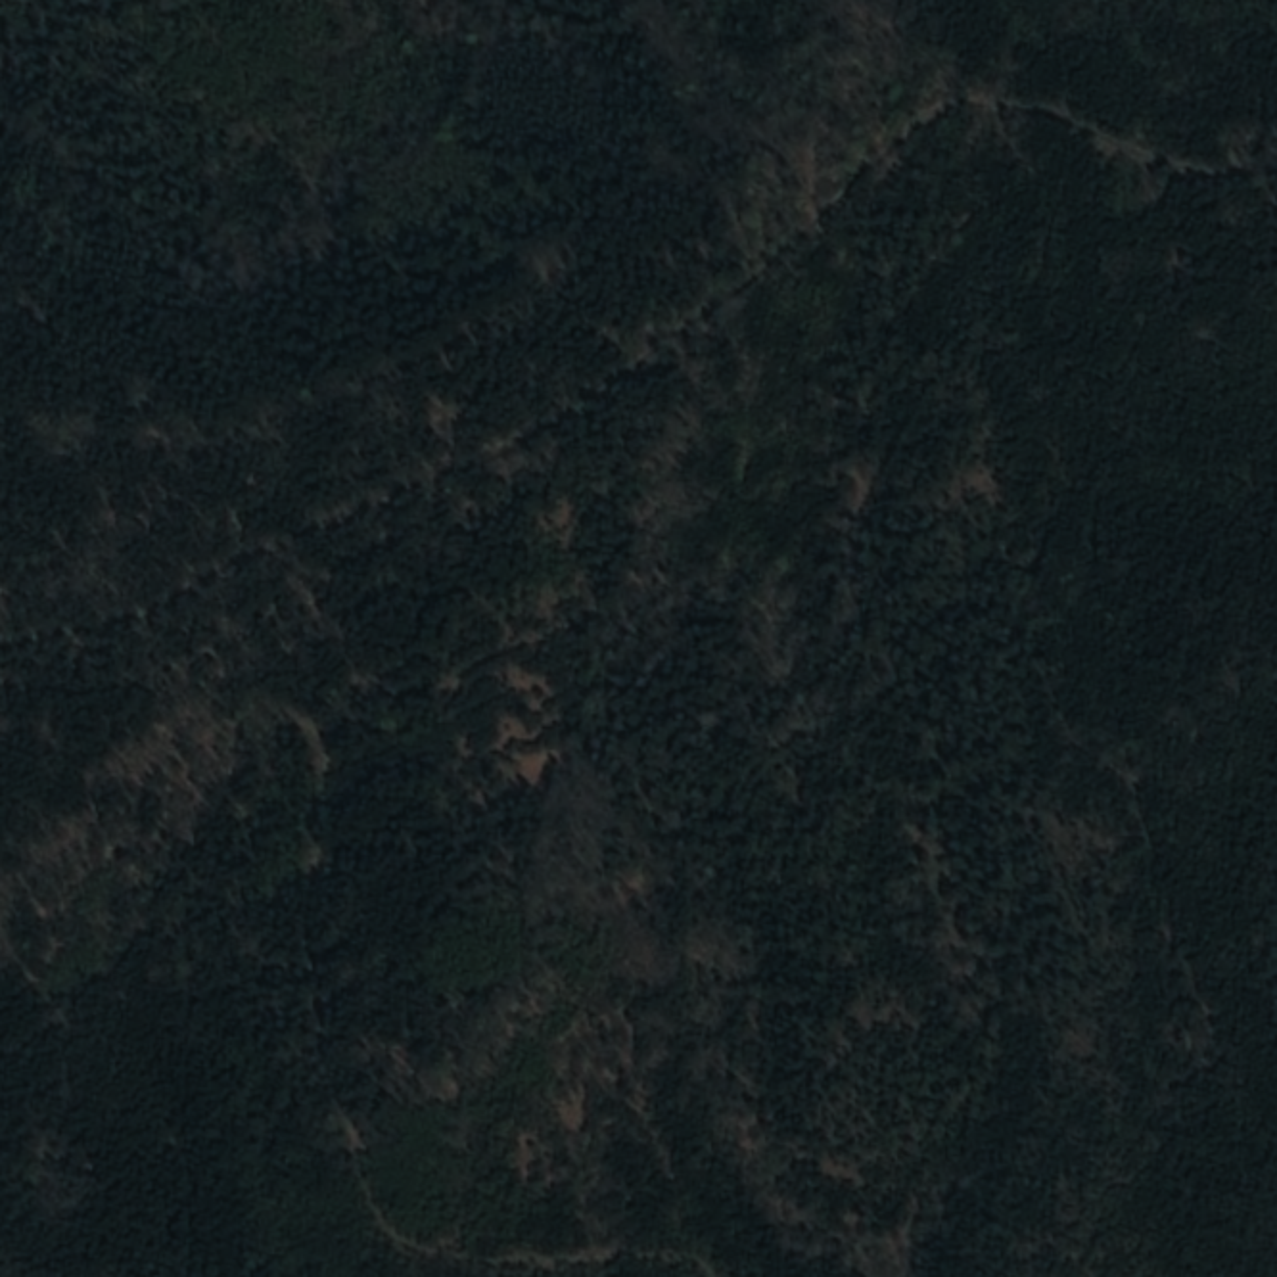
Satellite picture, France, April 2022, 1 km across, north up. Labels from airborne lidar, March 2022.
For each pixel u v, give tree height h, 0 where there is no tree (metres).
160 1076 31
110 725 19
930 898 18
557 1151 12
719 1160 14
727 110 18
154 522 22
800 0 11
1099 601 23
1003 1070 11
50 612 25
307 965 25
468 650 7
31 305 26
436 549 26
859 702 25
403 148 14
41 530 23
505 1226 11
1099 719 14
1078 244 12
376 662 27
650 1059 16
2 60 26
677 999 18
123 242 27
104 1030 20
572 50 21
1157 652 21
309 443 25
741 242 31
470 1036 24
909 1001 10
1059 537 19
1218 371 17
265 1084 15
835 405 18
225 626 25
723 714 14
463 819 16
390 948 21
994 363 14
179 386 28
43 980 15
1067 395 17
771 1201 12
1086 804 7
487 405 30
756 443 9
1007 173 11
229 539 23
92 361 30
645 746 34
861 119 13
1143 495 17
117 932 15
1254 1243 23
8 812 20
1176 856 15
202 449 26
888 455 9
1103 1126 9
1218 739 15
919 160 10
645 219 31
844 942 22
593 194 36
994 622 30
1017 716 25
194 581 23
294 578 27
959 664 28
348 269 35
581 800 32
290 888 14
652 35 22
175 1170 30
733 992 17
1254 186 24
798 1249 19
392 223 18
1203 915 16
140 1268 28
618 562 23
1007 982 14
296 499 25
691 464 11
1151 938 11
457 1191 11
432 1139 13
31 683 19
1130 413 14
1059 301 12
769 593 30
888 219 29
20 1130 19
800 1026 24
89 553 26
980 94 18
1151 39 16
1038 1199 10
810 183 15
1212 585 24
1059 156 17
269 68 12
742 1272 11
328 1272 16
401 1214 14
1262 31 16
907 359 28
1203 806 16
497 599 24
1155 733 19
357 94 14
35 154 26
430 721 12
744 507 11
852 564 13
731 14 12
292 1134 18
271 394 30
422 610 29
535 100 27
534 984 20
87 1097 25
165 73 18
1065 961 23
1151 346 17
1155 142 19
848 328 12
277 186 15
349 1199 12
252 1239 14
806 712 29
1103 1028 8
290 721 23
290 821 25
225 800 23
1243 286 15
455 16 14
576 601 10
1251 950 25
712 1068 20
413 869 24
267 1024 18
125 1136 25
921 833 18
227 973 17
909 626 34
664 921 20
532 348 25
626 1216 15
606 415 27
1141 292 16
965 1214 12
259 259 21
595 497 6
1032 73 16
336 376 29
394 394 23
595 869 34
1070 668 14
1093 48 18
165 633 25
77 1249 23
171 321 29
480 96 23
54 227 26
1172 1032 13
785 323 8
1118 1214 11
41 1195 22
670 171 22
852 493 21
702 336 19
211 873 26
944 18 18
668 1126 14
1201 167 19
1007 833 23
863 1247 22
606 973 12
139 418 25
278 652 25
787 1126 13
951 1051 8
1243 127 22
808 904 14
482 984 16
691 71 23
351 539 23
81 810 17
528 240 22
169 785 20
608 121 23
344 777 9
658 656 20
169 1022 29
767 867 7
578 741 30
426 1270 10
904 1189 13
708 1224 11
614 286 30
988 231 8
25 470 24
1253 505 19
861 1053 8
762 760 29
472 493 25
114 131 11
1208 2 14
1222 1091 14
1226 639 25
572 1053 14
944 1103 25
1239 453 18
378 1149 17
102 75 24
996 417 11
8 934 15
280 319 36
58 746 17
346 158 12
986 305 9
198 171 14
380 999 22
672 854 20
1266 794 23
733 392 7
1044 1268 7
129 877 18
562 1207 12
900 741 15
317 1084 24
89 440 21
